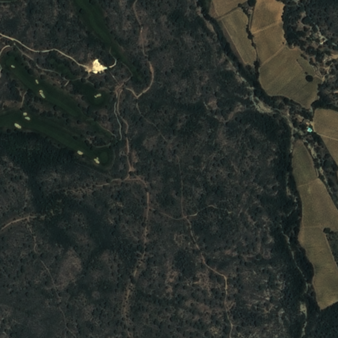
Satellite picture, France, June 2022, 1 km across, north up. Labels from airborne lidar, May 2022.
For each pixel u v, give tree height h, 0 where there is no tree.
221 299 10
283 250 11
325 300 0
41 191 12
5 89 0
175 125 10
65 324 0
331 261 0
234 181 0
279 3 0
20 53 0
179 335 0
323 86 11
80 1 0
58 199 10
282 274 8
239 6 11
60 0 12
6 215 9
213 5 0
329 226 0
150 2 6
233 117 0
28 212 10
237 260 0
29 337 0
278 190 11
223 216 7
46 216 8
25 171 8
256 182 11
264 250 0
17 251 0
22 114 0
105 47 6
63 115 7
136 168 9
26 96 7
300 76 0
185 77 6
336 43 6
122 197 10
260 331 0
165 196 6
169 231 0
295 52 0
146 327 6
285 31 9
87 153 0
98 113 10
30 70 11
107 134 0
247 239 11
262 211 10
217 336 0
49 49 8
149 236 9
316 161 13
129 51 0
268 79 0
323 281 0
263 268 0
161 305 10
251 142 6
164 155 8
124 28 0
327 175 6
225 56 0
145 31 0
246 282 0
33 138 9
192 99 7
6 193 8
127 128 0
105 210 0
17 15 0
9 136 8
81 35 10
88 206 0
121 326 9
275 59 0
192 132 6
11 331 7
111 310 0
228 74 6
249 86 0
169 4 8
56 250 0
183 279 10
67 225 8
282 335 0
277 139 7
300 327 6
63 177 6
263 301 0
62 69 0
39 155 8
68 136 0
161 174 8
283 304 6
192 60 0
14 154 11
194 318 7
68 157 9
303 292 12
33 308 0
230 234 6
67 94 0
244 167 0
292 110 10
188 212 6
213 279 8
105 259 0
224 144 0
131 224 11
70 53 12
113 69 7
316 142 10
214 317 10
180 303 11
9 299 0
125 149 0
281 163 12
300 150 0
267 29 0
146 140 0
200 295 0
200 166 7
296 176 0
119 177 0
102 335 0
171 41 6
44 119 0
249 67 11
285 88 0
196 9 8
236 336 6
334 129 0
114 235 13
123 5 0
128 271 7
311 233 0
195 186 0
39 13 8
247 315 14
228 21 0
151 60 11
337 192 16
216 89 0
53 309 0
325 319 8
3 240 9
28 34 0
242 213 10
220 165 10
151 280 9
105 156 0
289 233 9
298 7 7
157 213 10
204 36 13
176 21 13
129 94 0
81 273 0
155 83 0
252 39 7
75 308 0
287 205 12
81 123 10
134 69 0
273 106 12
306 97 0
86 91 0
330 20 11
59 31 11
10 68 0
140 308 10
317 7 12
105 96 0
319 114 0
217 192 13
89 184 10
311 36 10
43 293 7
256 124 7
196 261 0
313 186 0
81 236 0
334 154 0
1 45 0
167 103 0
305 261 10
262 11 0
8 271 9
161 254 0
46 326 0
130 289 7
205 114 8
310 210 0
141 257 11
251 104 8
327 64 6
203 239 0
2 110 0
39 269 0
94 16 0
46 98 0
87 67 0
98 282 6
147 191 10
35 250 0
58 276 0
